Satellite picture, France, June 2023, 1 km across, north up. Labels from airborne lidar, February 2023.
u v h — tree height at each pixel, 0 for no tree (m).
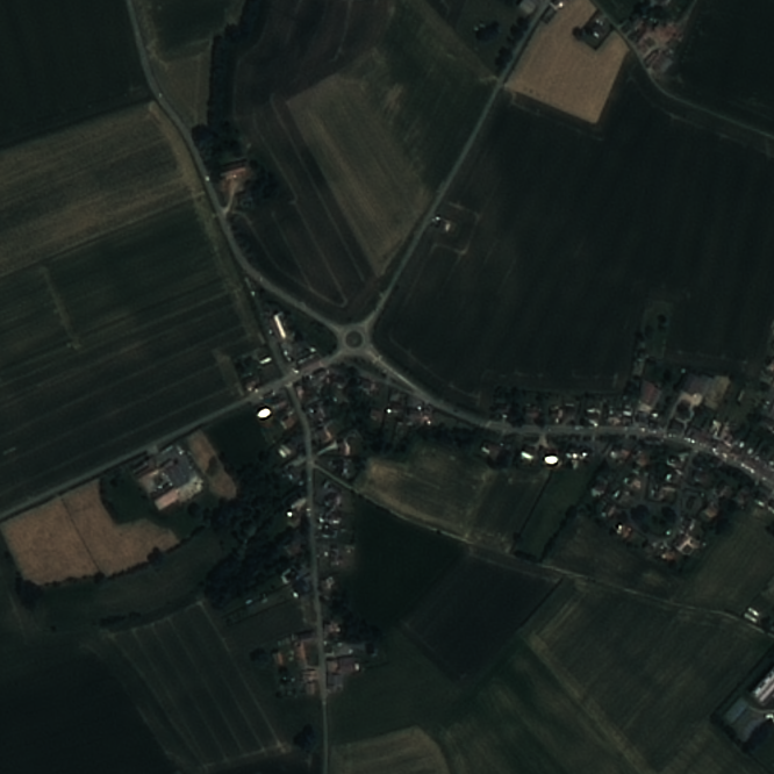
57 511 0
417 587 0
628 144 0
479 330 0
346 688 0
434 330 0
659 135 0
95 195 0
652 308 0
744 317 0
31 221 0
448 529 0
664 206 0
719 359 0
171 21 0
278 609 0
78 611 0
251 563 16
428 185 0
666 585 0
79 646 0
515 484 0
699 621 0
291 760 0
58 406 0
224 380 0
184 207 0
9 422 0
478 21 0
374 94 0
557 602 0
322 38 0
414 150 0
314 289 0
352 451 0
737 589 0
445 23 0
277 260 0
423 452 0
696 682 0
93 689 0
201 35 0
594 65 0
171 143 0
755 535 0
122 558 0
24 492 0
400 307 0
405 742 0
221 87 9
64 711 0
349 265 0
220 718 0
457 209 0
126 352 0
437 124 0
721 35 0
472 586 0
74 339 0
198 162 0
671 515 17
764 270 0
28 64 0
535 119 0
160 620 0
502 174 0
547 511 0
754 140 0
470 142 0
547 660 0
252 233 0
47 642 0
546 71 0
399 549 0
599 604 0
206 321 0
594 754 0
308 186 0
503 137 0
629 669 0
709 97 0
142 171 0
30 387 0
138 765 0
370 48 0
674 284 0
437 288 0
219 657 0
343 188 0
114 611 0
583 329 0
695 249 0
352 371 7
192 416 0
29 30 0
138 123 0
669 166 0
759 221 0
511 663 0
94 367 0
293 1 0
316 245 0
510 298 0
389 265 0
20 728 0
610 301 0
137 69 0
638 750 0
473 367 0
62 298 0
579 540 0
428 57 0
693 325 0
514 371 0
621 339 0
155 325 0
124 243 0
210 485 0
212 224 0
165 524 0
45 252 0
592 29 10
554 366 0
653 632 0
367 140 0
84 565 0
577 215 0
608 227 0
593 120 0
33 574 0
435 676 0
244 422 0
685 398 0
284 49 0
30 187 0
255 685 0
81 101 0
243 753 0
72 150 0
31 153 0
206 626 0
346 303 0
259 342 0
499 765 0
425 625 0
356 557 0
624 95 0
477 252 0
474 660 0
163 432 0
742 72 0
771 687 0
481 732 0
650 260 0
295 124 0
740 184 0
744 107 0
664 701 0
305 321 0
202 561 0
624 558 0
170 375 0
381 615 0
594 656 0
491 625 0
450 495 0
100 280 0
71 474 0
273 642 0
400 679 0
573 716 0
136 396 0
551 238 0
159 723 0
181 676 0
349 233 0
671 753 0
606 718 0
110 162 0
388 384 0
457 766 0
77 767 0
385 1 0
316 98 0
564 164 0
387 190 0
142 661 0
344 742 0
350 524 0
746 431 7
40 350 0
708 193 0
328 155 0
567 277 0
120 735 0
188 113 0
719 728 8
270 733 0
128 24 0
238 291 0
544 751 0
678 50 0
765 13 0
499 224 0
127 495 0
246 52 0
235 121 0
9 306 0
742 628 0
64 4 0
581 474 0
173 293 0
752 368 0
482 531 0
